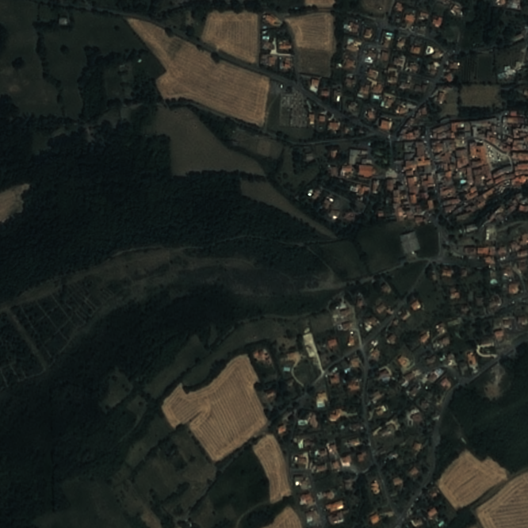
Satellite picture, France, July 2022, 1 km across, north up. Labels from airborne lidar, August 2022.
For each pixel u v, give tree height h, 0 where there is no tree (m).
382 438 0
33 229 16
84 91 8
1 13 0
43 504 18
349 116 5
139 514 9
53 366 7
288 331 8
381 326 0
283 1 0
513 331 0
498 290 8
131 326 14
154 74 0
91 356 11
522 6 12
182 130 0
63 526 0
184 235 8
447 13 7
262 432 0
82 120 10
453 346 9
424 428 6
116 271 0
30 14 0
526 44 0
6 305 0
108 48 0
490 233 0
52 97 0
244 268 0
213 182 14
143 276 0
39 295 0
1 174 15
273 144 0
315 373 0
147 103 14
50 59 0
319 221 9
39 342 6
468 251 0
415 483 7
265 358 0
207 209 15
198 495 0
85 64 0
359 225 11
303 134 0
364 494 9
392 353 0
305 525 0
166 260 0
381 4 0
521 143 0
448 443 8
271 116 0
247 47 0
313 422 0
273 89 0
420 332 6
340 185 12
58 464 12
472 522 9
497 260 7
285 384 10
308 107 8
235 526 0
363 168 0
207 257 0
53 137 0
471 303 6
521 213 9
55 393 20
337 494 0
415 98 7
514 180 0
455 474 0
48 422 6
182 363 0
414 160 0
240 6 15
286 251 7
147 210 13
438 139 0
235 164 0
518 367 7
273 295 5
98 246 6
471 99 0
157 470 0
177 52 0
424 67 8
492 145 0
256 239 8
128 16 0
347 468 0
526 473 0
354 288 6
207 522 0
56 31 7
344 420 9
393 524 0
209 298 15
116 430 6
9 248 15
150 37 0
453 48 7
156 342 11
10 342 9
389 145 9
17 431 17
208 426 0
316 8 11
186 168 0
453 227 10
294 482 0
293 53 11
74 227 18
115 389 0
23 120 15
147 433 6
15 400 12
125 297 5
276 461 0
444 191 0
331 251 0
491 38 21
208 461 7
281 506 0
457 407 7
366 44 0
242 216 8
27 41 0
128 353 18
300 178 0
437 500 14
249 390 0
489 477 0
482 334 8
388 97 0
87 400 13
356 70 0
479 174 0
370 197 9
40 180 17
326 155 9
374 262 0
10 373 8
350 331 0
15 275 11
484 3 12
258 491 0
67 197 13
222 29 0
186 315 17
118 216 8
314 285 0
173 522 7
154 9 18
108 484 6
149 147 10
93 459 7
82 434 7
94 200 16
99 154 16
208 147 0
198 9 12
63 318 6
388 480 6
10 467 13
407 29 0
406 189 11
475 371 0
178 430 10
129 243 7
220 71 0
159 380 0
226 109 0
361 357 11
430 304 0
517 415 7
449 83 12
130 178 20
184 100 9
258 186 0
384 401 6
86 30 0
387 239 0
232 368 0
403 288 0
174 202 11
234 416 0
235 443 0
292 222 12
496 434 6
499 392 0
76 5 7
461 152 0
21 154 23
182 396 0
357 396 9
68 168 15
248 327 0
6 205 0
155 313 15
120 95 0
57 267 8
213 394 0
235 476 0
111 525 0
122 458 5
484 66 0
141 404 8
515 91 13
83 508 0
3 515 16
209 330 6
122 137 19
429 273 11
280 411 9
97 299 0
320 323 0
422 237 0
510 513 0
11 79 0
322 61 0
